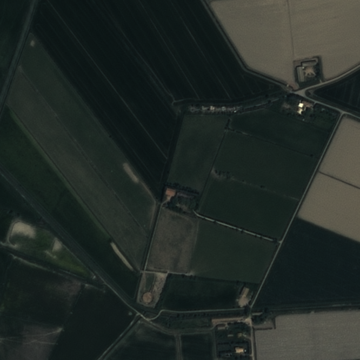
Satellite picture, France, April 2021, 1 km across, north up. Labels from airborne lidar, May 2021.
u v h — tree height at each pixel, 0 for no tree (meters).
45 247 0
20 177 0
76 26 0
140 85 0
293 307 0
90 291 0
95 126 0
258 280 0
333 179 0
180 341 0
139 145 0
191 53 0
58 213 0
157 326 0
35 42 0
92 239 0
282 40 0
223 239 0
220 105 6
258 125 0
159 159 0
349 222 0
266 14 0
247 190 0
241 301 0
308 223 0
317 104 6
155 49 0
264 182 0
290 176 0
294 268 0
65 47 0
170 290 0
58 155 0
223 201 0
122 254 0
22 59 0
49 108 0
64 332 0
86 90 0
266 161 0
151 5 0
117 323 0
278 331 0
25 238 0
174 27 0
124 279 0
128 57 0
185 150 0
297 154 0
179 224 0
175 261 0
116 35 0
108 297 0
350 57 0
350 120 0
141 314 0
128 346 0
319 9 0
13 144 0
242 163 0
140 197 0
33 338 0
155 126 0
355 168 0
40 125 0
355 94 0
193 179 0
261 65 0
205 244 0
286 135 0
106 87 0
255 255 0
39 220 5
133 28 0
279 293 0
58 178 0
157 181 0
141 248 0
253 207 0
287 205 0
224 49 0
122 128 0
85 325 0
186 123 0
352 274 0
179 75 0
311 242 0
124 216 0
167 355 0
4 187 0
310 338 0
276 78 0
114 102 0
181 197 13
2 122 0
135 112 0
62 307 0
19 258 0
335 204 0
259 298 0
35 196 0
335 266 0
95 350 0
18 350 0
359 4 0
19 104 0
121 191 0
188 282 0
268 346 0
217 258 0
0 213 0
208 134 0
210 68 0
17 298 0
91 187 0
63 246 0
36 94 0
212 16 0
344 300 0
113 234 0
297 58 0
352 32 0
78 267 0
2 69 0
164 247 0
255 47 0
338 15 0
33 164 0
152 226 0
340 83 0
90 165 0
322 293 0
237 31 0
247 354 8
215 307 0
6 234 0
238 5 0
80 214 0
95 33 0
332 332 0
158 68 0
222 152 0
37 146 0
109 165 0
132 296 0
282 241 0
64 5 0
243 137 0
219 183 0
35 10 0
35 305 0
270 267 0
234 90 0
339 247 0
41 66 0
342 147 0
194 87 0
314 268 0
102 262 0
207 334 0
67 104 0
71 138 0
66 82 0
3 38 0
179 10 0
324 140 0
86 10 0
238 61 0
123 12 0
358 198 0
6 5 0
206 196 0
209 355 0
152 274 0
